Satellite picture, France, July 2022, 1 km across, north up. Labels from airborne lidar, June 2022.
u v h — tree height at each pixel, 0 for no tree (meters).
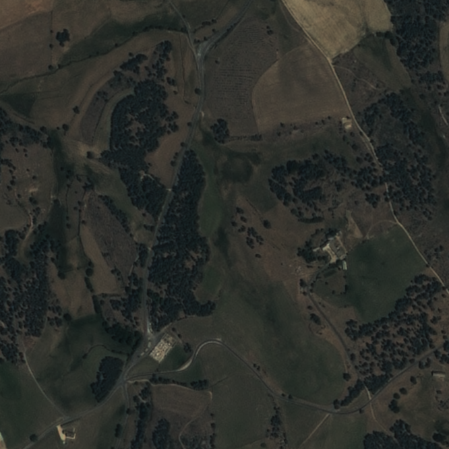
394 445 18
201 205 0
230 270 0
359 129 0
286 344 0
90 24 0
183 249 12
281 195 21
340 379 0
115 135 14
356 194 0
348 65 0
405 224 0
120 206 0
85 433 0
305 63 0
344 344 0
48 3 0
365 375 9
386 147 14
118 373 12
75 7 0
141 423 18
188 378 0
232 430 0
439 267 0
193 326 0
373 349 15
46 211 0
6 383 0
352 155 0
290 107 0
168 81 9
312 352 0
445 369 0
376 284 0
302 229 0
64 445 0
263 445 6
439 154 0
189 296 18
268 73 0
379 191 0
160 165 0
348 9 0
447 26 0
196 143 0
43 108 0
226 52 0
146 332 0
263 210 0
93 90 0
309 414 0
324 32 0
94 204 0
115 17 0
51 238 17
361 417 0
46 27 0
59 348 0
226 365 0
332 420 0
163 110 13
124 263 0
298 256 10
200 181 19
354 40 0
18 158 0
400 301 11
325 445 0
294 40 0
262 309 0
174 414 0
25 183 0
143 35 0
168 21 0
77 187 0
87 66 0
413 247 0
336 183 8
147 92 17
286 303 0
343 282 0
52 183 0
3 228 0
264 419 0
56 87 0
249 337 0
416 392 0
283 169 18
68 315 14
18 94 0
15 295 14
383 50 0
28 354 0
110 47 0
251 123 0
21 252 0
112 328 13
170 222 18
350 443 0
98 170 0
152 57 0
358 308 0
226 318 0
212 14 0
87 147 0
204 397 0
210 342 0
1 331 15
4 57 0
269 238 0
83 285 0
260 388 0
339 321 0
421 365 13
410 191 20
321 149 0
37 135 11
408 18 14
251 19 0
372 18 0
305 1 0
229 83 0
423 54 25
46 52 0
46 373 0
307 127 0
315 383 0
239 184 0
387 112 0
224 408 0
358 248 0
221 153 0
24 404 0
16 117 0
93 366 0
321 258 7
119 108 15
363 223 0
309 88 0
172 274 16
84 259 0
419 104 0
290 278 0
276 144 0
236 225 14
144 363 0
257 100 0
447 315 0
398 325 10
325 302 0
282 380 0
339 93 0
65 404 0
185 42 0
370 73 0
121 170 19
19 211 0
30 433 0
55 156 0
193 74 0
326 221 0
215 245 0
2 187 0
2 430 0
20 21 0
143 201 15
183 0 0
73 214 0
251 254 0
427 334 14
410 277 0
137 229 0
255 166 0
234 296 0
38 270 13
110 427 0
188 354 0
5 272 0
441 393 7
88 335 0
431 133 0
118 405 0
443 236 0
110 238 0
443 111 0
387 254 0
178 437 0
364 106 0
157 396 0
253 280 0
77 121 0
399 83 0
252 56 0
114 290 0
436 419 0
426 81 15
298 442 0
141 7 0
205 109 0
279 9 0
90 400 0
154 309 12
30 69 0
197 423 0
